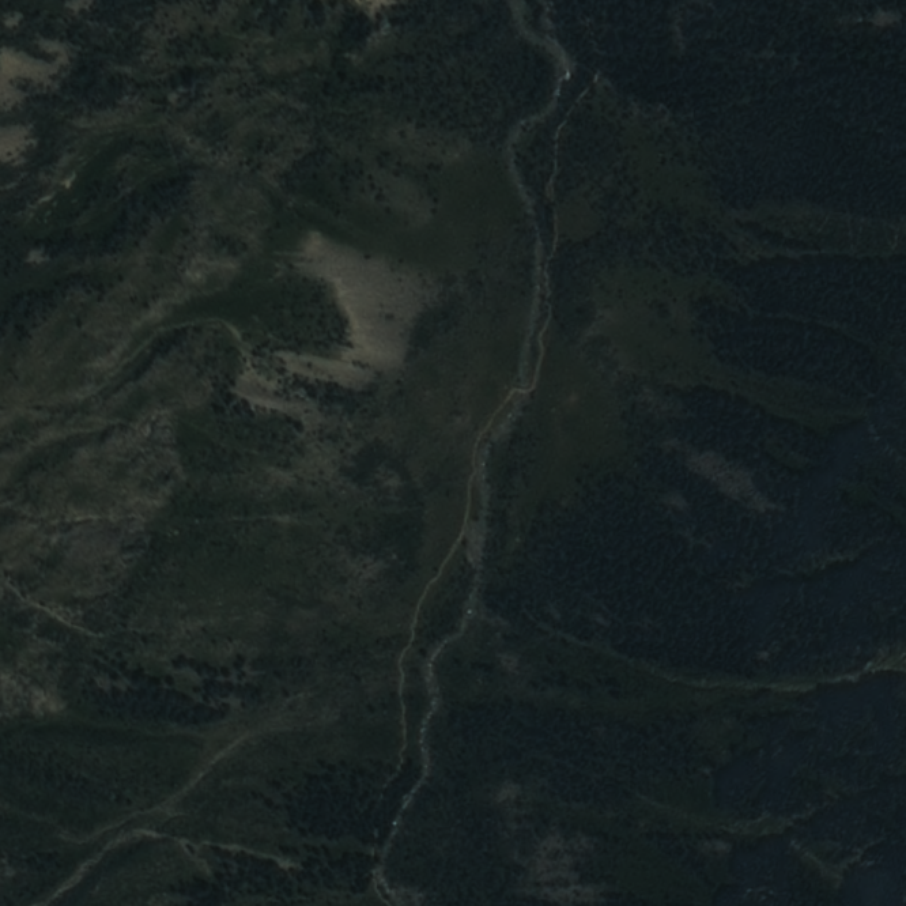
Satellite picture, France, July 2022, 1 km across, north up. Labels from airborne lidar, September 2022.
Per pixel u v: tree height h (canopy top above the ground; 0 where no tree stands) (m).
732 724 0
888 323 9
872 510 8
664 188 0
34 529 0
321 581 0
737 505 12
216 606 0
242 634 0
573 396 0
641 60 19
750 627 19
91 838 0
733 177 8
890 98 20
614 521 12
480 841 8
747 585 0
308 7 8
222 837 0
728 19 15
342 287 0
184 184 13
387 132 0
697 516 16
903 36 22
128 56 6
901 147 12
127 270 0
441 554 0
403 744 0
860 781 9
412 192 0
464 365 0
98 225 0
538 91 8
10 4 7
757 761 8
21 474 0
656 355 0
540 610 8
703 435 22
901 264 14
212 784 0
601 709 0
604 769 15
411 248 0
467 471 0
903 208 10
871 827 8
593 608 6
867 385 11
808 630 20
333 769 17
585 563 13
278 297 0
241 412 10
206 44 7
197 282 0
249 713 0
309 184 0
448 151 0
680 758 12
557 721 10
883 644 8
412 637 0
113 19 6
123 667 18
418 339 0
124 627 11
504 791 0
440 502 0
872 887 0
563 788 17
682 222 6
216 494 0
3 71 0
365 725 0
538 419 0
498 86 8
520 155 11
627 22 23
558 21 24
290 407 0
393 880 8
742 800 10
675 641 10
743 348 12
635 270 0
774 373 14
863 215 6
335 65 6
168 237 0
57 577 0
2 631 0
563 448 0
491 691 0
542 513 7
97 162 0
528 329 0
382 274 0
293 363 0
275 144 7
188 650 0
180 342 6
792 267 19
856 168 11
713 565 21
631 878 0
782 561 13
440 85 7
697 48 13
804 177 17
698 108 13
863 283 16
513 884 8
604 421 0
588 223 0
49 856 18
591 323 0
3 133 0
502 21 8
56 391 0
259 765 0
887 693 6
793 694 0
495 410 0
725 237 17
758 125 12
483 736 8
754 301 16
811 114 10
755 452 23
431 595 0
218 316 0
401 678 0
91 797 7
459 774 10
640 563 22
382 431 0
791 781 13
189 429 0
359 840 8
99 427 0
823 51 17
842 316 10
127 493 0
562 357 0
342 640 0
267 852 0
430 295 0
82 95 8
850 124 7
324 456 0
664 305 6
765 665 12
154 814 0
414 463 0
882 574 15
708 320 16
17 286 0
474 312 0
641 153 0
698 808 0
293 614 0
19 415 0
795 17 18
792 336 19
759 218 0
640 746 12
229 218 0
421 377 0
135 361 0
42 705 0
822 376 13
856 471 7
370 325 0
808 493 15
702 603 11
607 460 0
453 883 10
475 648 0
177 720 18
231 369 0
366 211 0
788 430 25
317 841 0
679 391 8
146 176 0
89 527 0
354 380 0
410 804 0
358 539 0
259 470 0
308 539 0
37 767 6
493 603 9
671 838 11
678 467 19
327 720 0
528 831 6
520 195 0
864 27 9
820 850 0
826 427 0
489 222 0
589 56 22
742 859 13
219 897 20
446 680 0
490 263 0
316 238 0
